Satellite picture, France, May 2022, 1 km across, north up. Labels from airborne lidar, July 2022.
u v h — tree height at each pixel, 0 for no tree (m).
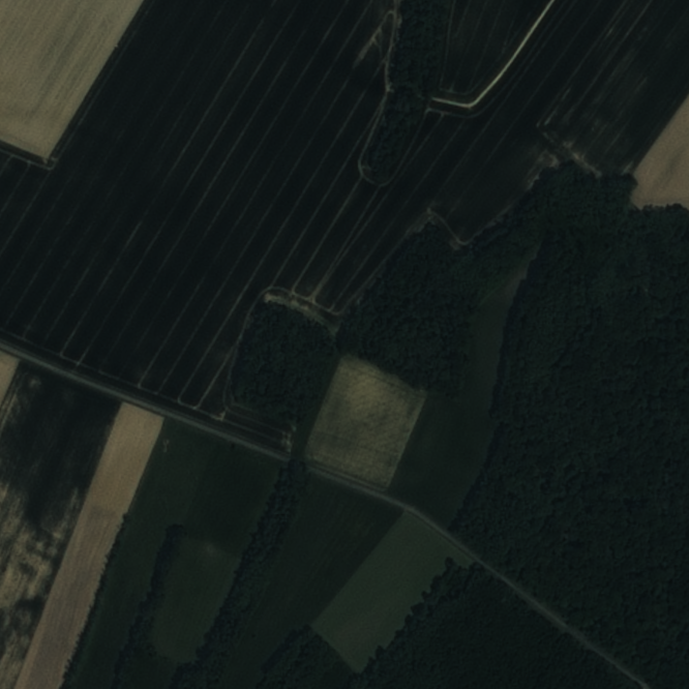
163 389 0
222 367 0
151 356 0
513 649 15
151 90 0
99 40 0
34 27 0
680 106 0
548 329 23
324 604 0
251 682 0
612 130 0
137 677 0
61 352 0
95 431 0
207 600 0
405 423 0
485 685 15
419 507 0
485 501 25
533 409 25
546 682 21
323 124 0
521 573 24
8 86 0
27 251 0
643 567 21
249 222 0
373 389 0
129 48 0
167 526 0
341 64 0
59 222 0
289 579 0
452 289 23
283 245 0
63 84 0
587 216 28
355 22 0
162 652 0
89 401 0
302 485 25
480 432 0
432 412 0
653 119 0
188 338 0
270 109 0
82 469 0
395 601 0
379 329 17
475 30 0
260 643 0
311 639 15
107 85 0
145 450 0
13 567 0
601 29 0
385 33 0
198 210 0
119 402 0
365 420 0
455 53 0
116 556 15
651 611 25
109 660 0
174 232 0
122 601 0
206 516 0
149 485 0
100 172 0
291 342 26
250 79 0
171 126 0
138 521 0
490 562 24
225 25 0
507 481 22
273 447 0
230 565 0
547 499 28
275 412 23
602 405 27
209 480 0
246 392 18
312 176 0
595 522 24
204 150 0
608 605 24
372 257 0
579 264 7
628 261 13
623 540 22
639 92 0
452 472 0
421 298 19
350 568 0
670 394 21
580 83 0
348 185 0
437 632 19
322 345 8
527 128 0
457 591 7
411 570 0
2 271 0
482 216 0
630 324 28
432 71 18
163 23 0
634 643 22
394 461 0
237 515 0
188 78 0
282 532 25
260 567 27
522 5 0
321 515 0
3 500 0
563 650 19
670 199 0
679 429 29
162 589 19
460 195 0
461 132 0
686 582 27
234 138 0
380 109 0
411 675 20
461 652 19
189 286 0
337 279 0
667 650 28
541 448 27
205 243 0
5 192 0
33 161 0
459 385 20
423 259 17
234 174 0
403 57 18
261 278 0
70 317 0
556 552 21
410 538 0
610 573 25
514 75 0
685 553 26
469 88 0
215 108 0
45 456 0
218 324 0
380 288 12
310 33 0
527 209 19
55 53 0
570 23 0
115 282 0
